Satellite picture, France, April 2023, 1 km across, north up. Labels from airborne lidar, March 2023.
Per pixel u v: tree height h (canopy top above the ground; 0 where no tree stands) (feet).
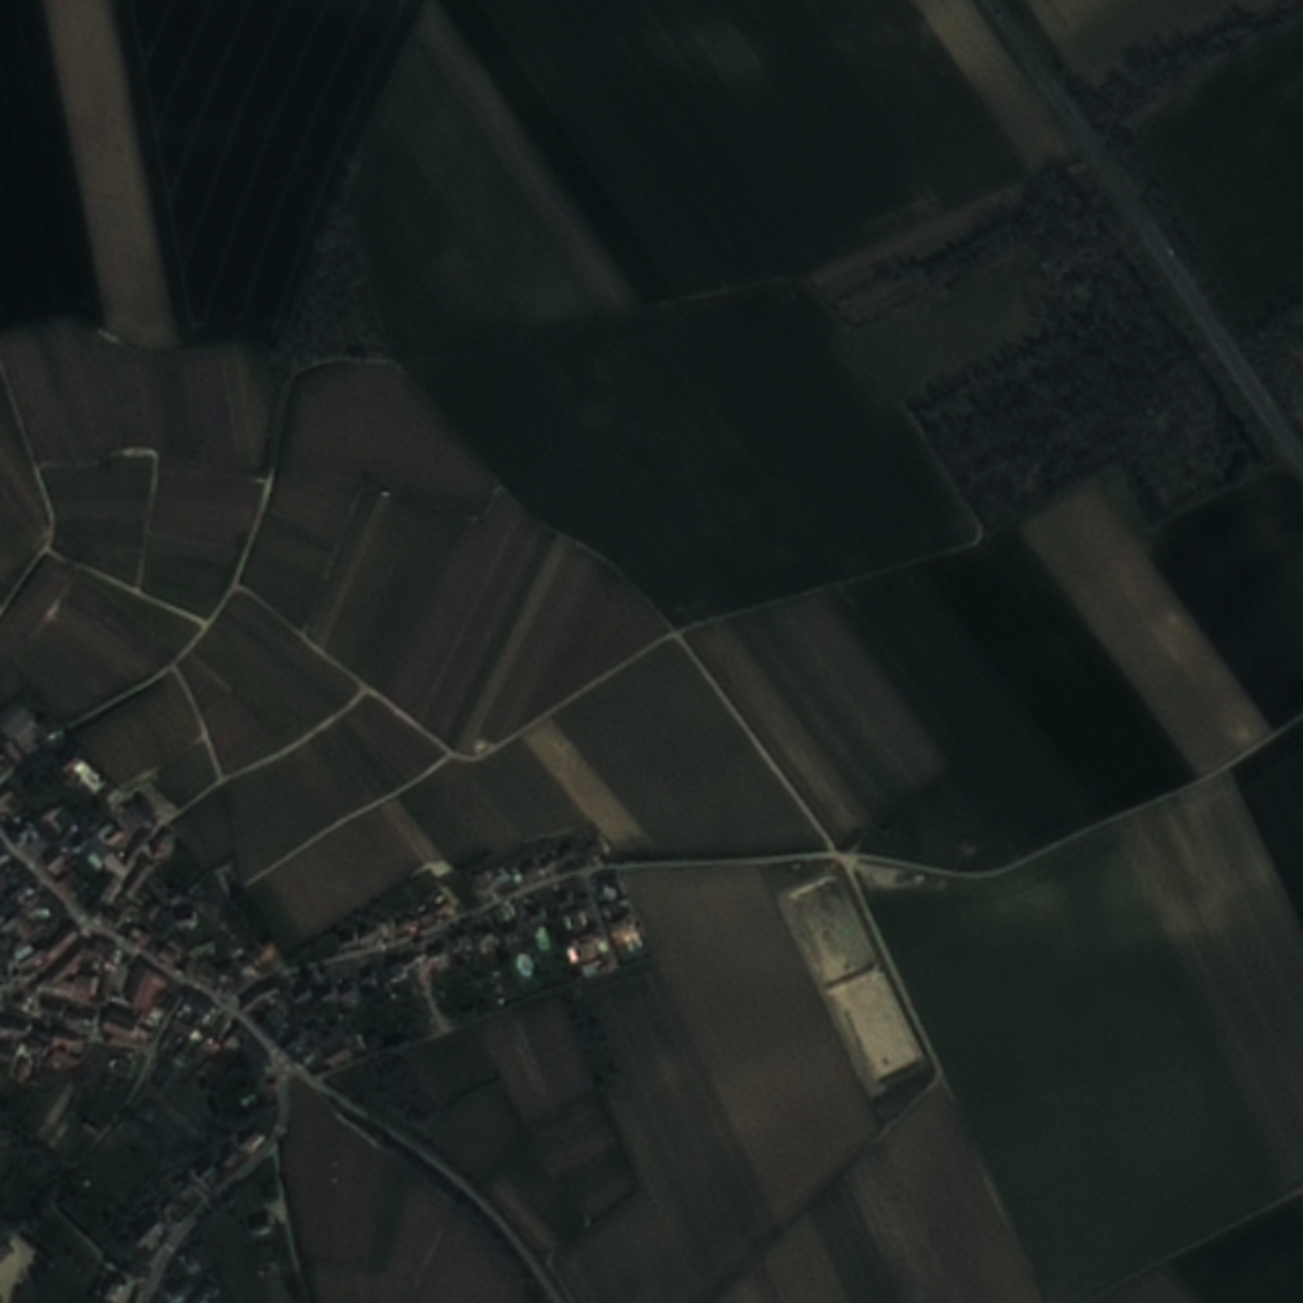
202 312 0
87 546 0
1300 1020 0
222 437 0
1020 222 61
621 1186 0
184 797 0
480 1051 0
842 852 0
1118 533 0
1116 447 43
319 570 0
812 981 0
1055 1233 0
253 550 0
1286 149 0
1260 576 0
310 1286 0
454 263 0
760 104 0
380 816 0
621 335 0
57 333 0
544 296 0
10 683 0
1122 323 43
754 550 0
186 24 0
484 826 0
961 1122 0
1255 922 0
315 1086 0
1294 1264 0
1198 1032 0
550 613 0
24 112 0
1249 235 0
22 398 0
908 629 0
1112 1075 0
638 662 0
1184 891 0
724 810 0
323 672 0
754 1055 0
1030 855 0
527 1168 0
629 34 0
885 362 0
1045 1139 0
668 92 0
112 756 0
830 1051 0
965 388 35
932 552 0
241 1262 0
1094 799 0
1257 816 0
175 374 0
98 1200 0
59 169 0
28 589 0
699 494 0
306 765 0
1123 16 0
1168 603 0
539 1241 0
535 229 0
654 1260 0
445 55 0
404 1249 0
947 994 0
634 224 0
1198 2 0
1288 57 0
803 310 0
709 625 0
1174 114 0
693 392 0
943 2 0
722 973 0
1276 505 0
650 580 0
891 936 0
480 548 0
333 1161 0
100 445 0
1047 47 0
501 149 0
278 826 0
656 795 0
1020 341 0
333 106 0
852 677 0
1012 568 0
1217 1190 0
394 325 0
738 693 0
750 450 0
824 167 0
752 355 0
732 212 0
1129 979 0
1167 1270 0
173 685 0
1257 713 0
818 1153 0
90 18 0
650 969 0
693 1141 0
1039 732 0
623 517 0
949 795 0
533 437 0
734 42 0
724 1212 0
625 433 0
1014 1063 0
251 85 0
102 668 0
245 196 0
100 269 0
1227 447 34
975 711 0
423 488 0
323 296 42
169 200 0
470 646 0
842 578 0
